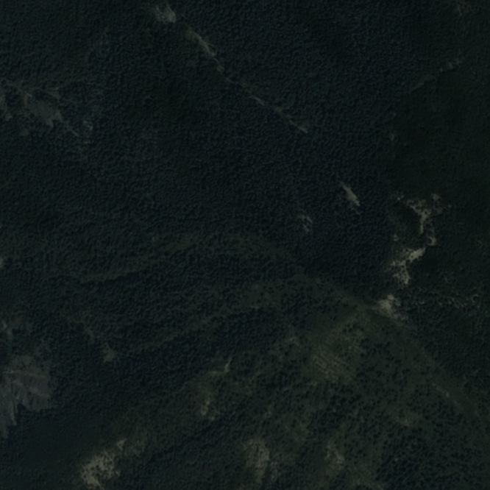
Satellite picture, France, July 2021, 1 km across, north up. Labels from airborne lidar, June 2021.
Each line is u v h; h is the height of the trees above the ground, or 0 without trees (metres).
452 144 17
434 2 13
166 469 10
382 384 8
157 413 14
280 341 6
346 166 18
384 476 19
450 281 14
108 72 12
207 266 13
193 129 18
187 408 11
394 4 21
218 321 14
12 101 10
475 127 13
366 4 11
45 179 12
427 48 16
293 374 10
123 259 10
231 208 16
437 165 16
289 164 17
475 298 8
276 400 7
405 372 12
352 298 0
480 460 11
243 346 11
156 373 11
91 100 7
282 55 17
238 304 12
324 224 15
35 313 10
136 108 17
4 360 8
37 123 7
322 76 15
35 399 0
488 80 11
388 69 13
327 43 20
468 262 15
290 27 17
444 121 16
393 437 13
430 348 10
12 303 7
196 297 12
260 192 16
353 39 19
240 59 17
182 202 13
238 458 5
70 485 6
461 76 12
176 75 16
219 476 7
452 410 10
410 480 11
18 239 11
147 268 7
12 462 12
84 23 15
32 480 12
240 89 11
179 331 7
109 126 12
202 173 18
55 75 10
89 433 12
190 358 9
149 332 15
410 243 10
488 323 13
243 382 9
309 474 10
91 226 12
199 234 10
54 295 9
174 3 9
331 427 8
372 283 12
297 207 16
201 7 14
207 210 13
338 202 18
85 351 11
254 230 5
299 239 13
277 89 14
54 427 14
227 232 9
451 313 12
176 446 13
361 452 16
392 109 12
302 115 15
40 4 7
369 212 17
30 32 9
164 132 19
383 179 10
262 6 16
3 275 10
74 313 8
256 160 14
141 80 19
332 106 19
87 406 8
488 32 13
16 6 7
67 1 12
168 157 15
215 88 15
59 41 13
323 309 8
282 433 10
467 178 16
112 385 11
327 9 18
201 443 11
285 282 10
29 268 14
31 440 12
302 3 19
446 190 16
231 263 14
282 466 7
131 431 8
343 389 9
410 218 17
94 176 11
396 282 14
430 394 9
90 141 8
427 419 15
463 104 17
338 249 16
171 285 12
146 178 13
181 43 14
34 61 6
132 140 13
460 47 10
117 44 13
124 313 13
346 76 16
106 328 15
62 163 14
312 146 15
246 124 12
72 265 9
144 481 9
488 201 10
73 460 7
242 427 12
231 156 9
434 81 15
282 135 14
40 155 15
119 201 13
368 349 12
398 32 12
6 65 13
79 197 10
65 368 8
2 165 7
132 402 9
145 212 14
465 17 6
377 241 17
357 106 14
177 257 15
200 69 12
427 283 11
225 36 13
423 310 11
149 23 9
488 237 10
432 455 11
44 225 10
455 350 9
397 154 16
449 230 13
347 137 13
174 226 12
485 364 14
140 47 13
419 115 20
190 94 16
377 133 9
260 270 10
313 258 7
